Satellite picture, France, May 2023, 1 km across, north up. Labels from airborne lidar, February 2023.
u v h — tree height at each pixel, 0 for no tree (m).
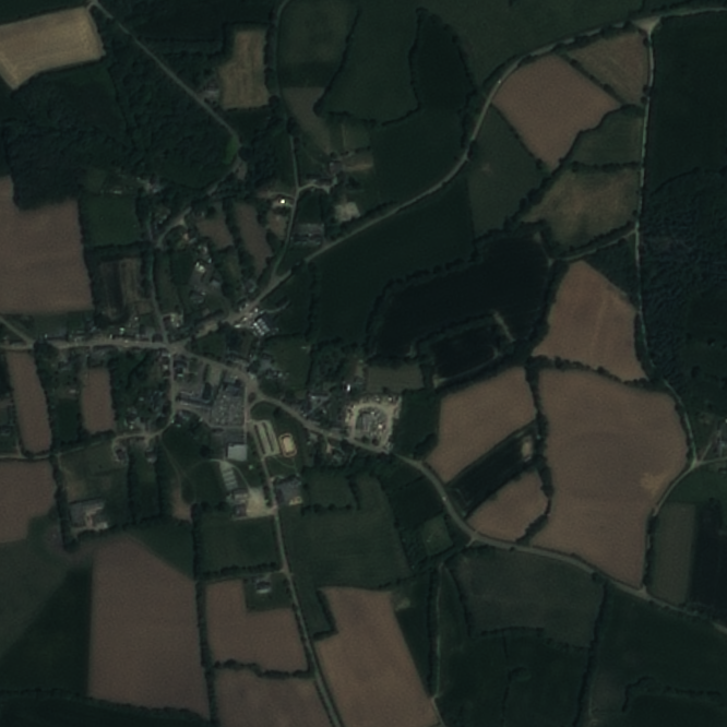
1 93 0
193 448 0
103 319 12
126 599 0
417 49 10
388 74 0
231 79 0
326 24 0
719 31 0
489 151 0
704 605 0
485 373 12
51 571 0
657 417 0
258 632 0
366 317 0
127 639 0
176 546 0
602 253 8
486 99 0
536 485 0
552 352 0
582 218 0
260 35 0
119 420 10
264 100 0
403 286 14
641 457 0
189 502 0
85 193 16
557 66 0
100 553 0
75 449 11
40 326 0
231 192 7
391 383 0
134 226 0
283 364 0
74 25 0
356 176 0
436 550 0
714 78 0
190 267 0
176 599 0
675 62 0
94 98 0
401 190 0
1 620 0
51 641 0
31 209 16
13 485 0
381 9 0
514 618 0
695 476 0
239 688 0
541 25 0
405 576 0
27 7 0
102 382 0
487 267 0
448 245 0
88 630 0
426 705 0
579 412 0
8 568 0
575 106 0
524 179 0
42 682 0
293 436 0
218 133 9
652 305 22
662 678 0
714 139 0
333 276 0
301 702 0
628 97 0
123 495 0
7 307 0
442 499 0
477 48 0
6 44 0
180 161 8
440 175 0
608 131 0
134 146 10
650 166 7
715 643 0
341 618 0
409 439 0
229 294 13
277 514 0
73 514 0
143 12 16
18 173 16
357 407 0
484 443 0
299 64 0
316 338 10
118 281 0
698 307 0
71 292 0
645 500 0
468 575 0
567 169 8
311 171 0
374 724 0
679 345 16
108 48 9
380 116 0
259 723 0
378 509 0
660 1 0
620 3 0
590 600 0
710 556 0
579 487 0
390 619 0
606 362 0
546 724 0
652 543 8
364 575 0
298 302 0
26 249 0
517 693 0
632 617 0
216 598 0
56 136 14
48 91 13
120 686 0
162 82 11
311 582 0
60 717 0
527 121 0
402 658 0
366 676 0
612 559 0
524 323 0
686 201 12
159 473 11
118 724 0
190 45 9
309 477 12
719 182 10
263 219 9
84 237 14
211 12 0
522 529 0
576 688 0
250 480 0
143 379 23
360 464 12
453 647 0
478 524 0
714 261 19
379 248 0
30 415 0
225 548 0
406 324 0
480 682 0
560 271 12
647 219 12
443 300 0
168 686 0
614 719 0
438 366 0
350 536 0
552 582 0
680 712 0
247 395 0
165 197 14
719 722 0
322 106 11
